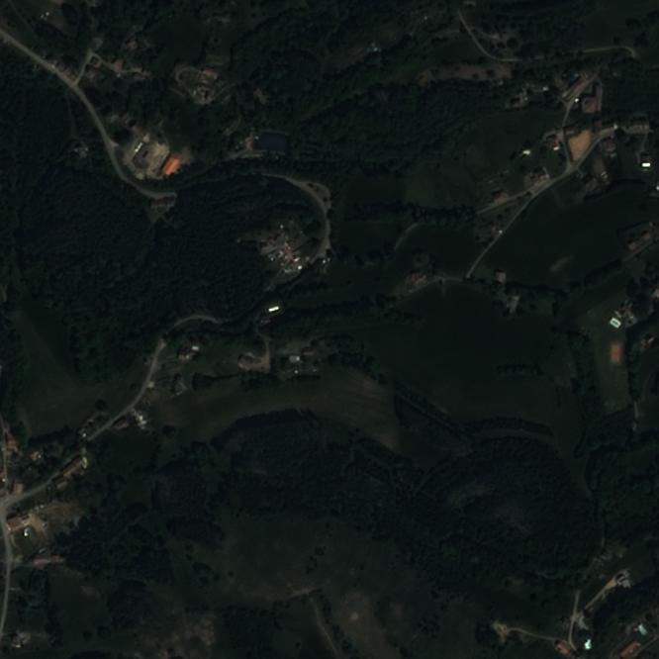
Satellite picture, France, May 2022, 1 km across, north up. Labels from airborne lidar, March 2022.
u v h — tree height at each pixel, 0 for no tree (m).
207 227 22
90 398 0
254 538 0
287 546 0
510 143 0
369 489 31
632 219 0
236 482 26
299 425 27
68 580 0
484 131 0
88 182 27
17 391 16
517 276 0
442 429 31
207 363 0
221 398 0
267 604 0
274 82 23
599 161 0
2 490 0
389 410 0
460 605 0
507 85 13
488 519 14
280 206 23
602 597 0
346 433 0
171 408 0
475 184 0
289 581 0
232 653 0
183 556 0
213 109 6
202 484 26
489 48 10
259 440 30
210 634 0
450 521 10
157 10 18
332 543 0
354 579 0
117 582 0
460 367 0
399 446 0
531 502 26
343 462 17
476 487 27
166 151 0
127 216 30
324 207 0
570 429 0
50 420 0
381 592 0
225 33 0
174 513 24
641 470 0
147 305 13
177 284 27
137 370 0
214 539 34
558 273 0
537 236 0
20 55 0
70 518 0
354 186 0
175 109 0
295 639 0
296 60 29
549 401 0
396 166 23
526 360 0
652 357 0
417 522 8
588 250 0
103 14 27
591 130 9
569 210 0
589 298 0
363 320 16
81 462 0
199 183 0
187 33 0
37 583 13
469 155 0
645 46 23
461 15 0
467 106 27
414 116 18
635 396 17
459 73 0
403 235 16
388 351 0
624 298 0
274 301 16
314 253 0
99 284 11
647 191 7
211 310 27
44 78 18
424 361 0
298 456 28
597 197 7
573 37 26
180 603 0
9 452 0
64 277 29
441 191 0
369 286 0
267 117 18
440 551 18
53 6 0
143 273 32
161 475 26
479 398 0
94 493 21
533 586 16
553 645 0
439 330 0
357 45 0
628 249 9
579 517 12
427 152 23
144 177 0
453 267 0
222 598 0
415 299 0
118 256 24
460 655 0
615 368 0
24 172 0
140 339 19
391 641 0
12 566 0
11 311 18
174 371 0
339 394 0
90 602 0
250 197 23
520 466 28
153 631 0
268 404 0
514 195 0
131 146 0
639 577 0
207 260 26
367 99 10
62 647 13
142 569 29
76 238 32
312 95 17
